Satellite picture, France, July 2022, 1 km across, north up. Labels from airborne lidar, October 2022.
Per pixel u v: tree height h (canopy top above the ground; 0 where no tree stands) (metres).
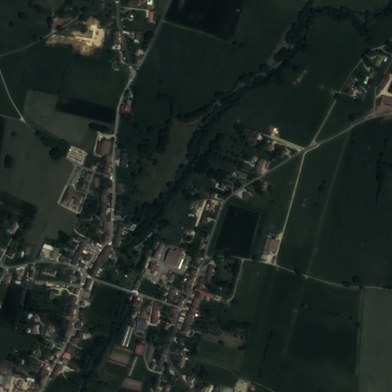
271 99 0
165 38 0
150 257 0
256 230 0
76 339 0
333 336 0
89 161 0
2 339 0
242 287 0
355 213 0
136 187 6
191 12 13
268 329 0
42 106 0
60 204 0
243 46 14
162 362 0
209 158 19
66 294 0
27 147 0
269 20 0
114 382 0
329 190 0
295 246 0
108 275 11
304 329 0
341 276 0
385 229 0
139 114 0
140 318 0
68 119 0
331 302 0
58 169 0
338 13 12
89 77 0
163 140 25
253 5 0
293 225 0
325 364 0
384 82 0
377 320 0
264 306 0
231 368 0
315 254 0
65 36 0
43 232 0
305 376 0
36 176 0
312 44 0
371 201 0
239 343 0
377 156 0
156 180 0
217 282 10
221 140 21
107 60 0
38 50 0
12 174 0
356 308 0
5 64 0
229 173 7
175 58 0
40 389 0
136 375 0
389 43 13
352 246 0
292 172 0
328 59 0
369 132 0
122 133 0
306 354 0
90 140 0
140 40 0
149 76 0
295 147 0
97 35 0
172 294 0
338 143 0
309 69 0
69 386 0
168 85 0
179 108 0
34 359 0
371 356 0
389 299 0
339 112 0
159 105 0
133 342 0
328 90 0
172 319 0
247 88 0
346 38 0
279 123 0
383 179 17
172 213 0
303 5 0
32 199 0
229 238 0
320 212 0
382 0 0
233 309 0
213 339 0
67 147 0
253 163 0
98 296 0
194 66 0
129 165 7
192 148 21
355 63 0
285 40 0
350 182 0
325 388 0
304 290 0
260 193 9
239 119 0
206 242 11
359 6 0
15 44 0
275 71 9
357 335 0
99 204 7
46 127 0
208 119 18
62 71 0
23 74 0
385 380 0
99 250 0
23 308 17
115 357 0
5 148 0
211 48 0
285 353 0
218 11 0
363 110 0
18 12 0
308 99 0
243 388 0
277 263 0
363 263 0
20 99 0
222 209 0
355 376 0
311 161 0
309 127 0
